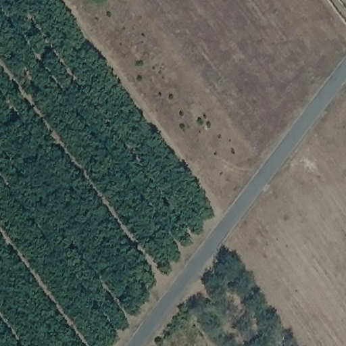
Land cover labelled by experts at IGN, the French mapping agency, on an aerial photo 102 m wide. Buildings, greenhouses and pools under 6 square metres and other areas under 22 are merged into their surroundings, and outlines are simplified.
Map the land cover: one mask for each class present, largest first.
<instances>
[{"label":"deciduous trees","instance_id":"1","mask_svg":"<svg viewBox=\"0 0 346 346\"><path fill-rule=\"evenodd\" d=\"M66 4L59 3L58 0H0V57L14 76L18 77L15 81L18 88L23 86L24 91L30 93L34 99V103H31L32 109L28 111L24 103L27 99H23L19 91H14L12 80H9L0 66V346H85L77 337L74 328L59 314L54 301H51L39 287L30 270H26V266L20 261L19 251H23L24 257L92 346H112L118 338L116 332L128 327L127 319L124 318L120 307L124 304L128 314H139L141 305L149 299V291L155 285V277L149 264L143 265L145 257L142 251H135L124 241L126 234L116 219L112 218L107 205L103 204L101 199L107 197L128 230L134 234V242L145 247L147 253L154 258L159 272L164 274L170 272V262H177L180 259L177 246L182 243L187 246L191 243L187 228H191L195 234H200L203 231L204 220L214 216V209L205 196L204 189H201L200 184L193 182L195 176L191 170L185 172L178 166L180 158L176 153H168L169 145L162 138L161 132H151L150 122H147L143 114L139 115L141 108L135 105L130 93L124 89L122 81L114 73V69L107 65V59L97 58L96 51L93 50L95 46L82 35L72 11H65ZM53 132H57L61 141H64L62 147L73 164L82 168L84 181L77 177L76 170L69 166L66 159L61 158V153L55 147H51L54 143L51 137ZM257 282L253 272L246 270L242 259L235 261L232 257H224L218 268V277H211L205 282L207 297L196 293L189 297L187 303L178 304V312L166 326L164 334L170 337L174 331L182 330L188 320L192 324L199 320L204 331H207L208 338L216 346H280L284 339L285 327L282 326L280 316L277 312L270 315L266 312L269 305L264 293L253 291ZM226 292L237 293L245 310L238 320L232 322V328L246 330L251 326L250 319H257V334L243 343L235 342L234 335L224 332L220 323L227 311L237 310L234 303L226 299Z\"/></svg>","mask_w":346,"mask_h":346},{"label":"agricultural land","instance_id":"2","mask_svg":"<svg viewBox=\"0 0 346 346\"><path fill-rule=\"evenodd\" d=\"M147 18L161 20L166 31L182 43L184 61L192 64L193 68H199L201 77L219 101L220 107L226 111L232 126L241 132L251 146L261 151V162L264 165L320 89L334 76L346 59V28L335 18L323 0H142ZM289 161L274 170L268 184L259 191L258 197H254L251 204L247 205L241 218L224 238V247H220L218 257H209L201 266L196 273L195 281L177 297L172 310L162 320L157 331L150 335V341L145 346H154L155 338L164 334L166 326L178 312V304L187 303L189 297L196 293L207 297L205 282L211 277H218V268L224 257H232L235 261L242 259L246 270L253 272L257 282L253 291L264 293L269 305L266 312L270 315L277 312L280 316L282 326L285 327L284 339L280 346H346V80L304 132L296 149L289 153ZM226 299L234 303L237 310L227 311L220 323L224 332L234 335L235 342L243 343L257 334V319H250L251 326L246 330L232 328V322L238 320L245 310L237 293L226 292Z\"/></svg>","mask_w":346,"mask_h":346},{"label":"herbaceous vegetation","instance_id":"3","mask_svg":"<svg viewBox=\"0 0 346 346\"><path fill-rule=\"evenodd\" d=\"M59 3L66 4L65 11H72L82 35L95 46L93 50L96 51L97 58L107 59V65L114 69V73L122 81L124 89L130 93L135 105L141 108L139 115L143 114L147 122H150L151 132H161L162 138L169 145L168 153H176L180 158L178 166L185 172L191 170L195 176L193 182L200 184L201 189H204L205 196L214 209V216L204 220L203 231L200 234H195L191 228H187L191 243L187 246L182 243L177 246L180 259L177 262H170V272L164 274L159 272L154 258L147 253L145 247L134 242V234L128 230L107 197L101 199L103 204L107 205L112 218L116 219L126 234L124 241L135 251H142L145 257L143 265L149 264L155 277V285L149 291V299L141 305L139 314H128L124 304L120 307L124 318L127 319L128 327L116 332L118 338L112 346H128L131 339L141 330L143 318L150 315L157 304L161 303L162 297L172 288L174 281L199 253L220 220L234 207L264 165L261 162V151L251 146L241 132L232 126L226 111L220 107L219 101L201 77L199 68H193L192 64L184 61L182 43L166 31L161 20L147 18L142 0H58ZM0 66L9 80H12L14 91H19L23 99H27L24 103L28 111L32 109L31 103H34V99L30 93L24 91L23 86L18 88L15 81L18 77L14 76L0 57ZM51 137L54 143L51 147H55L61 153V158L66 159L69 166L76 170L77 177L84 181L82 168L73 164L62 147L64 141H61L57 132H53ZM20 261L26 266V270H30L39 287L51 301H54L59 314L74 328L77 337L85 346H92L24 257L23 251H19Z\"/></svg>","mask_w":346,"mask_h":346},{"label":"impervious surface","instance_id":"4","mask_svg":"<svg viewBox=\"0 0 346 346\"><path fill-rule=\"evenodd\" d=\"M346 80V59L334 76L320 89L264 165L234 207L220 220L199 253L174 281L172 288L162 297L161 303L157 304L150 315L143 318L141 330L131 339L128 346H145L150 341V335L157 331L162 320L172 310L177 297L195 281L196 273L201 266L209 257H218L220 247H224V238L241 218L247 205L251 204L254 197H258L259 191L268 184L274 170L289 161V153L296 149L304 132Z\"/></svg>","mask_w":346,"mask_h":346},{"label":"brushwood","instance_id":"5","mask_svg":"<svg viewBox=\"0 0 346 346\"><path fill-rule=\"evenodd\" d=\"M154 346H216L208 338L207 331H204L199 320L192 324L188 320L182 330L174 331L170 337L164 334L155 338Z\"/></svg>","mask_w":346,"mask_h":346},{"label":"vineyard","instance_id":"6","mask_svg":"<svg viewBox=\"0 0 346 346\"><path fill-rule=\"evenodd\" d=\"M335 18L346 28V0H323Z\"/></svg>","mask_w":346,"mask_h":346}]
</instances>
